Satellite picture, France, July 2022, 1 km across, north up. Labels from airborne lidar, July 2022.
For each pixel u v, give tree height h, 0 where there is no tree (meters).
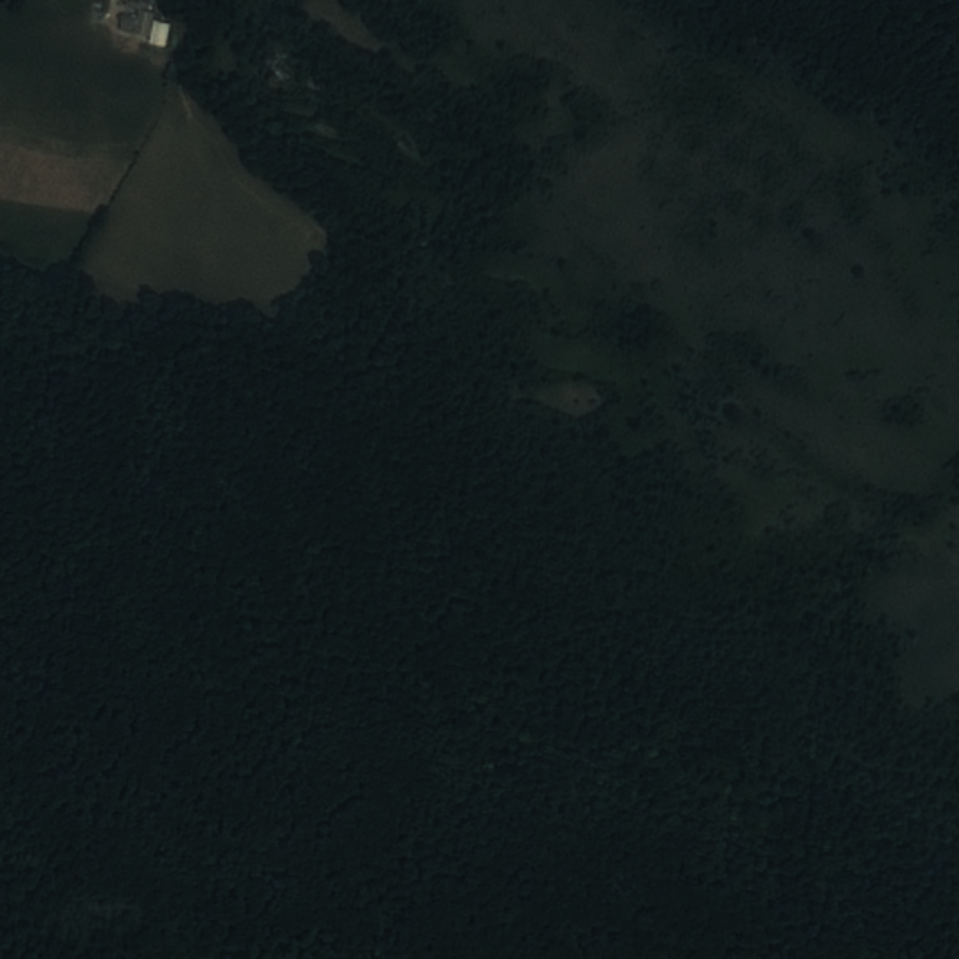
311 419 18
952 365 0
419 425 22
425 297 12
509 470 18
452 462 19
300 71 9
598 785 22
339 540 17
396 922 21
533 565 18
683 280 0
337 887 25
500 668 23
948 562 0
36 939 17
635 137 0
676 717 12
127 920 15
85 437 25
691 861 25
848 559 11
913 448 0
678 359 0
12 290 25
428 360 19
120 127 0
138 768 27
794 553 10
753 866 29
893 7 26
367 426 17
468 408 19
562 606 24
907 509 16
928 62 24
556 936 29
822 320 0
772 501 0
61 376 27
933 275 0
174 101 0
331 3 0
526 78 18
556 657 19
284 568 23
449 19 7
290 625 20
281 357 17
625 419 0
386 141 9
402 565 14
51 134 0
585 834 24
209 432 19
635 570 13
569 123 0
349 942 24
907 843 25
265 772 25
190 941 15
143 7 0
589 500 12
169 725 25
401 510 23
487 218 9
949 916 26
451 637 20
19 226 0
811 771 15
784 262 0
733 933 13
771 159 6
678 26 13
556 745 25
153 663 23
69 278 27
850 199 6
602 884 31
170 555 22
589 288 0
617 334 8
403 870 23
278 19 21
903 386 0
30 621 23
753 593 12
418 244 11
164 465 20
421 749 23
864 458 0
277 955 28
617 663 23
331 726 22
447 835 21
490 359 12
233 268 0
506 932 27
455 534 21
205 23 34
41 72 0
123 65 0
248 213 0
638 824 23
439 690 23
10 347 13
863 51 26
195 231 0
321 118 11
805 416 0
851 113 14
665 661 12
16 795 17
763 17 19
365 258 15
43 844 16
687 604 13
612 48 0
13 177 0
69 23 0
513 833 24
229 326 22
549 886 27
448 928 26
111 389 27
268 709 25
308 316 28
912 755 18
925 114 16
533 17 0
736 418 17
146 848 23
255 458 22
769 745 30
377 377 26
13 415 23
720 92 6
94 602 24
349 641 15
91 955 25
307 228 0
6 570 23
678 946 29
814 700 11
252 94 23
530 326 6
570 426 12
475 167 22
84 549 25
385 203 13
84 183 0
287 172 31
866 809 23
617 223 0
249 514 21
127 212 0
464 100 16
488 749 20
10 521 22
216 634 25
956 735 15
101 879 19
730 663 13
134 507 21
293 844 27
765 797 21
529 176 13
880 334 0
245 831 27
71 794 23
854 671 12
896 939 24
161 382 9
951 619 0
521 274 0
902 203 0
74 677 27
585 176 0
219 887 27
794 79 7
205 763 23
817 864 18
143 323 21
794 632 14
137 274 0
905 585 0
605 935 27
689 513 8
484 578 15
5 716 22
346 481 17
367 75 17
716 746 20
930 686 0
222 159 0
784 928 33
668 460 9
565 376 7
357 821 26
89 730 26
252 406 19
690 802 21
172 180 0
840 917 30
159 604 23
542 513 17
